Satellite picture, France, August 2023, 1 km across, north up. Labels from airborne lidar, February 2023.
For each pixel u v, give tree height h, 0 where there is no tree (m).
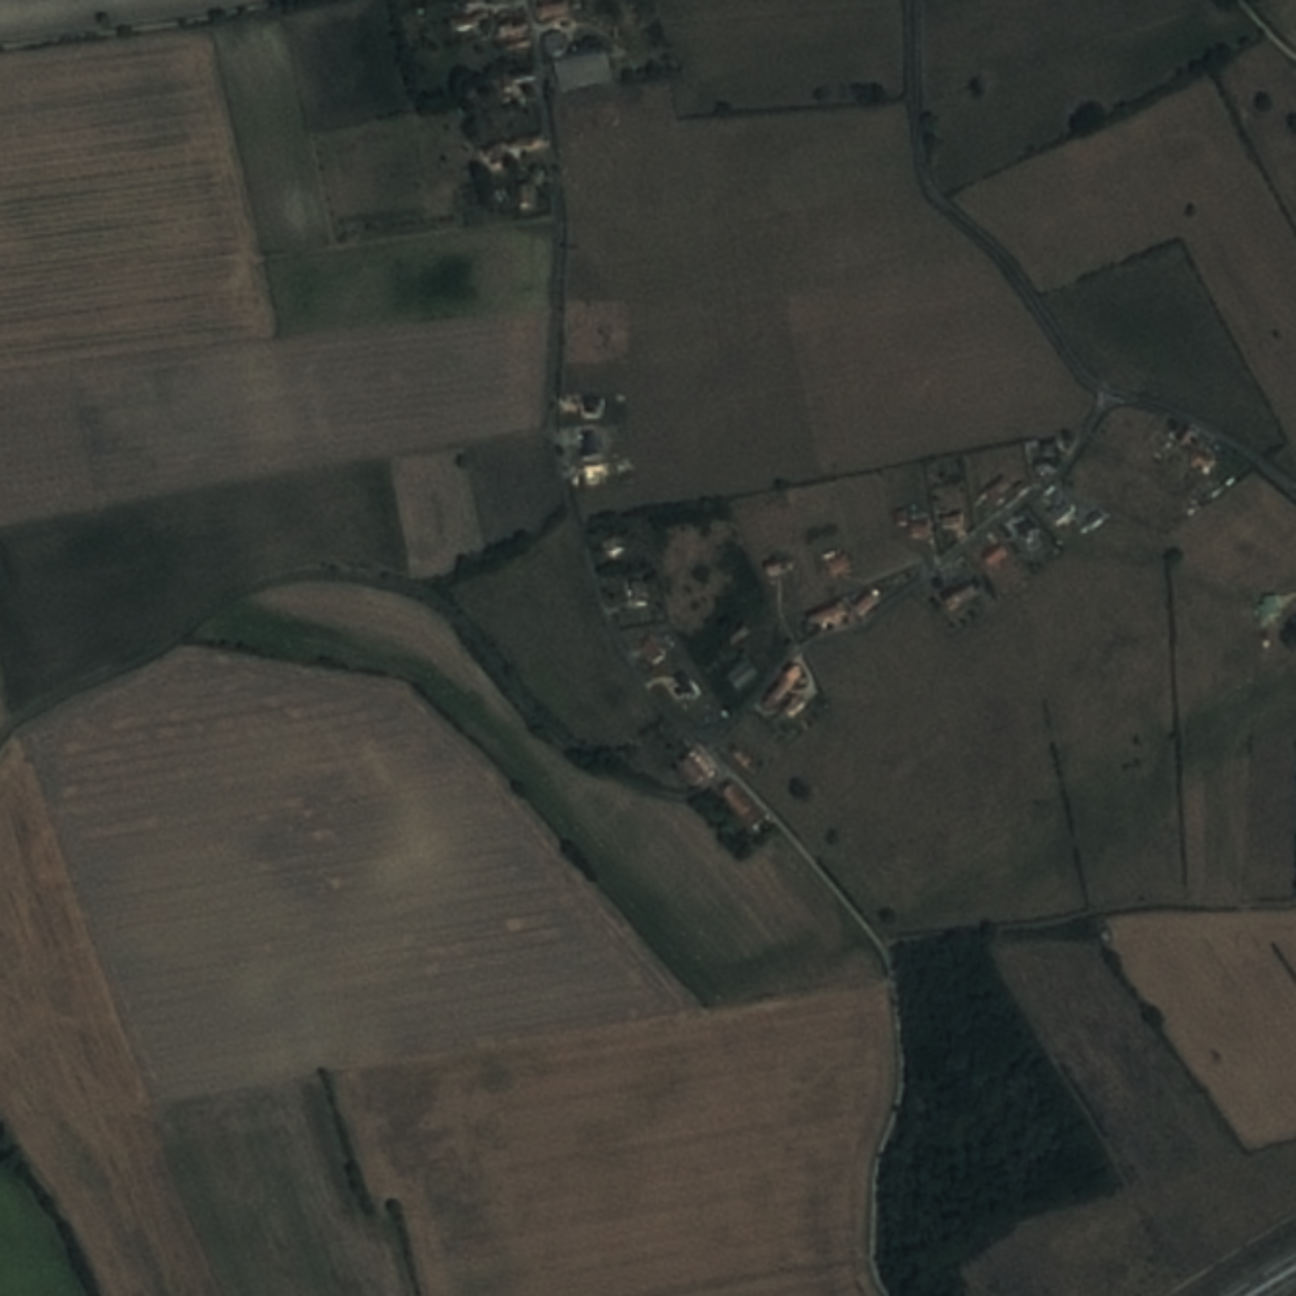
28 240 0
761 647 0
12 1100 0
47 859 0
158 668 0
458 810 0
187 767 0
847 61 0
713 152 0
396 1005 0
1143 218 0
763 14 0
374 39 0
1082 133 16
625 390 0
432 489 0
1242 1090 0
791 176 0
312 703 0
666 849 0
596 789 0
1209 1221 0
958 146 0
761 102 0
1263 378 0
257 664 0
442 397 0
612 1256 0
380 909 0
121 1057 0
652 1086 0
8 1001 0
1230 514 0
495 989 0
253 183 0
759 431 0
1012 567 0
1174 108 0
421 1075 0
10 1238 0
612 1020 0
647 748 0
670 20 0
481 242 0
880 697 0
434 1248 0
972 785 0
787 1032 0
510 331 0
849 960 0
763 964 0
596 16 0
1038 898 0
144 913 0
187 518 0
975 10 0
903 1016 8
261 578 0
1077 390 0
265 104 0
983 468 0
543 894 0
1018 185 0
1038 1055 9
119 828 0
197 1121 0
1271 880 0
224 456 0
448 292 0
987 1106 15
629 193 0
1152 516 0
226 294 0
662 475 0
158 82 0
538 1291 0
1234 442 0
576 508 0
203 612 0
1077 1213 0
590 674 0
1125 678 0
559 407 7
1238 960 0
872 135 0
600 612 0
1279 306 0
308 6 10
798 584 0
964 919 0
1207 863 0
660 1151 0
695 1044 0
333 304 0
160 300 0
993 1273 0
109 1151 0
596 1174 0
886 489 0
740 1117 0
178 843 0
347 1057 0
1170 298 0
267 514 0
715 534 0
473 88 12
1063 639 0
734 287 0
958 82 0
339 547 0
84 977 0
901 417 0
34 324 0
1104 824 0
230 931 0
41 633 0
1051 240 0
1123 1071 0
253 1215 0
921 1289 16
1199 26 0
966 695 0
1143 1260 0
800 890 0
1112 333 0
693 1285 0
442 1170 0
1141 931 0
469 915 0
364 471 0
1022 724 0
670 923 0
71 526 0
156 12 0
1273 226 0
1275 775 0
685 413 0
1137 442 0
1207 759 0
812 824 0
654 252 0
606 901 0
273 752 0
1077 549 0
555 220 0
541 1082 0
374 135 0
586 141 0
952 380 0
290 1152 0
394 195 0
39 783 0
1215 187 0
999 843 0
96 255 0
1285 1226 0
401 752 0
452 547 0
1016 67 0
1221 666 0
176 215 0
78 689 0
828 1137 0
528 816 0
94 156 0
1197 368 0
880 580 0
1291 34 0
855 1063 0
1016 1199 14
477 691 0
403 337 0
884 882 0
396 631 0
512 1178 0
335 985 0
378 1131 0
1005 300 0
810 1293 0
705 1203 0
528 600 0
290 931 0
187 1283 0
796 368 0
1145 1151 0
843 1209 0
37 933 0
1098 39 0
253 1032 0
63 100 0
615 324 0
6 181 0
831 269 0
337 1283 0
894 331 0
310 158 0
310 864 0
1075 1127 10
